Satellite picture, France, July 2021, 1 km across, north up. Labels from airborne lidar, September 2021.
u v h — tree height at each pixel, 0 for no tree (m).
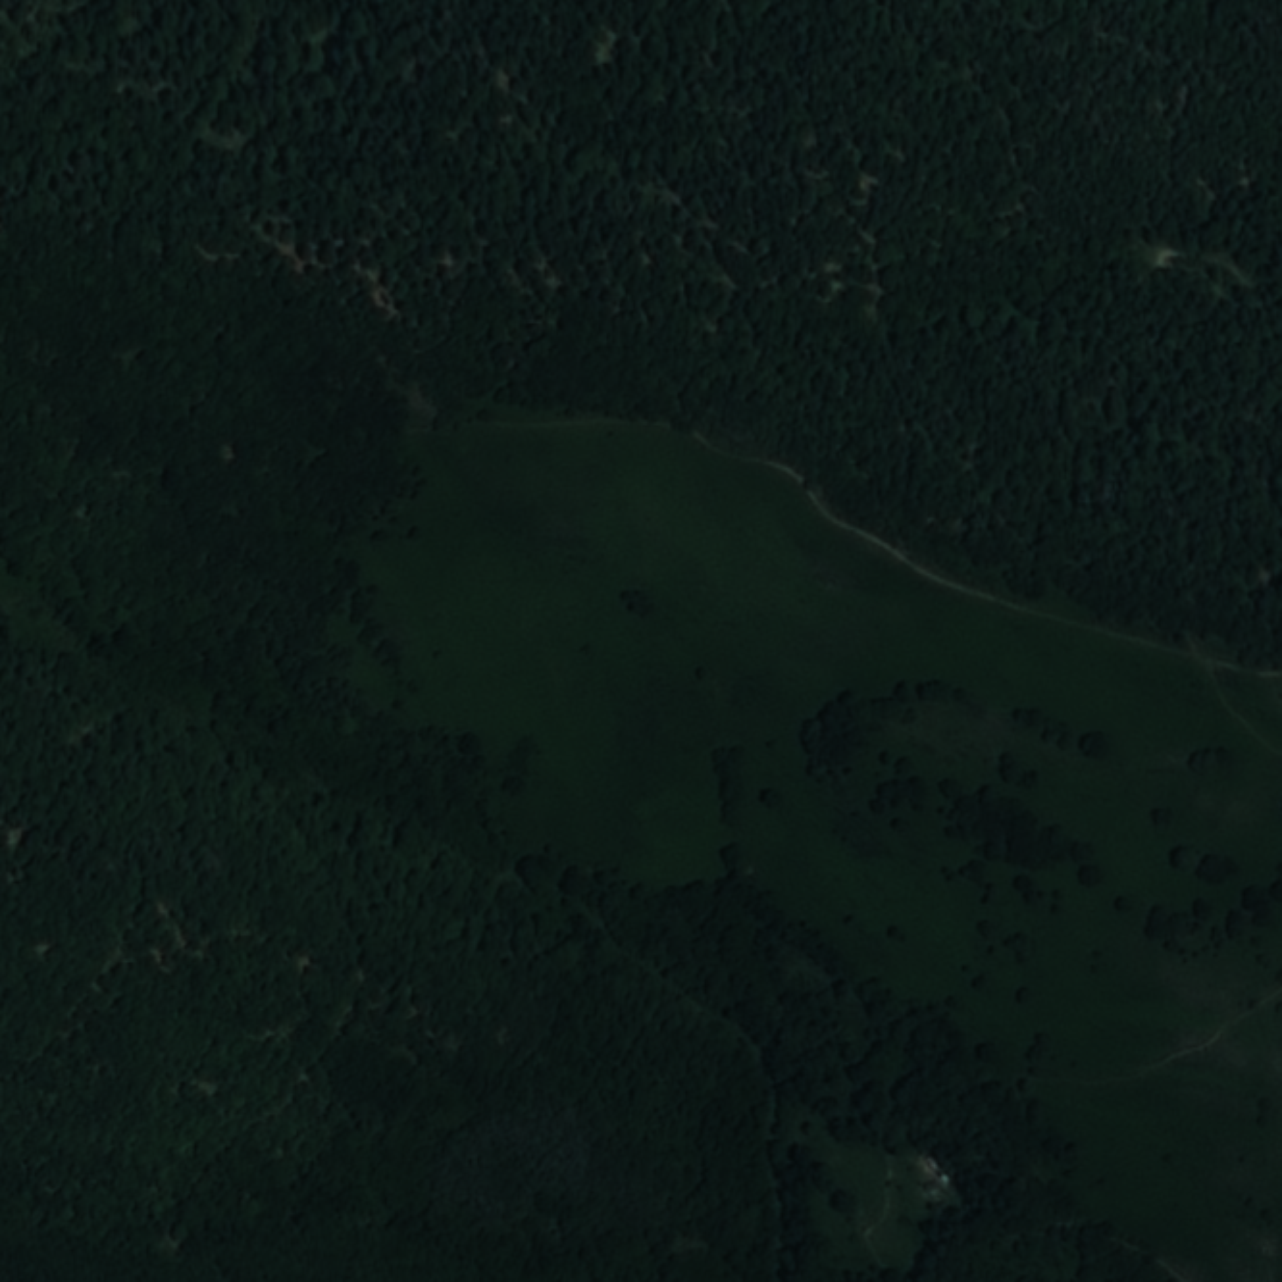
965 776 0
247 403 17
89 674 18
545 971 22
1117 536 18
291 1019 21
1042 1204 11
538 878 33
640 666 0
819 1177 26
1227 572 19
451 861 17
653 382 14
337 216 14
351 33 24
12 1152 15
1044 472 21
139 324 13
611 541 0
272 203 13
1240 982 0
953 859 0
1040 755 0
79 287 14
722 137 18
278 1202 22
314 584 12
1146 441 26
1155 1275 10
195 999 19
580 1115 16
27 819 30
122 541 17
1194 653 0
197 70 25
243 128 22
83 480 17
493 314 14
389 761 17
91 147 23
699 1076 24
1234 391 9
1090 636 0
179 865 25
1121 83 11
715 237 28
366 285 23
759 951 11
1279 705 0
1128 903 10
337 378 9
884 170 21
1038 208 23
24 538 23
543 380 17
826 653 0
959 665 0
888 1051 21
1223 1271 0
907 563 0
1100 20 20
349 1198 21
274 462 13
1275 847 0
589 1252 27
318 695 12
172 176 14
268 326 15
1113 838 0
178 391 16
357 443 18
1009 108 12
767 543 0
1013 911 0
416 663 0
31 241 15
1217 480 24
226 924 22
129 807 19
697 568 0
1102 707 0
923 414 19
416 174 15
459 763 14
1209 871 17
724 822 7
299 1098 16
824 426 22
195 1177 9
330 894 28
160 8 36
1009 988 0
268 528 16
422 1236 22
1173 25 25
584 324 23
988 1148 30
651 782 0
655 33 25
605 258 6
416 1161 7
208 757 23
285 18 29
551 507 0
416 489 12
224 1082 20
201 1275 15
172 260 21
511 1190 16
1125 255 9
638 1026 20
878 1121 22
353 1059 26
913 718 12
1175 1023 0
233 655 18
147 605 23
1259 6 23
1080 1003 0
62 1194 16
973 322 32
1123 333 23
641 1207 13
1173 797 0
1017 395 24
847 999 22
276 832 24
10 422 12
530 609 0
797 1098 16
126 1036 22
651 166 20
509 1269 18
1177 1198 0
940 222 19
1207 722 0
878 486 19
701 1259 8
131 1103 16
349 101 15
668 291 26
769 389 18
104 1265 16
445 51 28
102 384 17
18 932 22
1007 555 15
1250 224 28
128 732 26
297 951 18
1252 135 17
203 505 16
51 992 23
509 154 15
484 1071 19
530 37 20
